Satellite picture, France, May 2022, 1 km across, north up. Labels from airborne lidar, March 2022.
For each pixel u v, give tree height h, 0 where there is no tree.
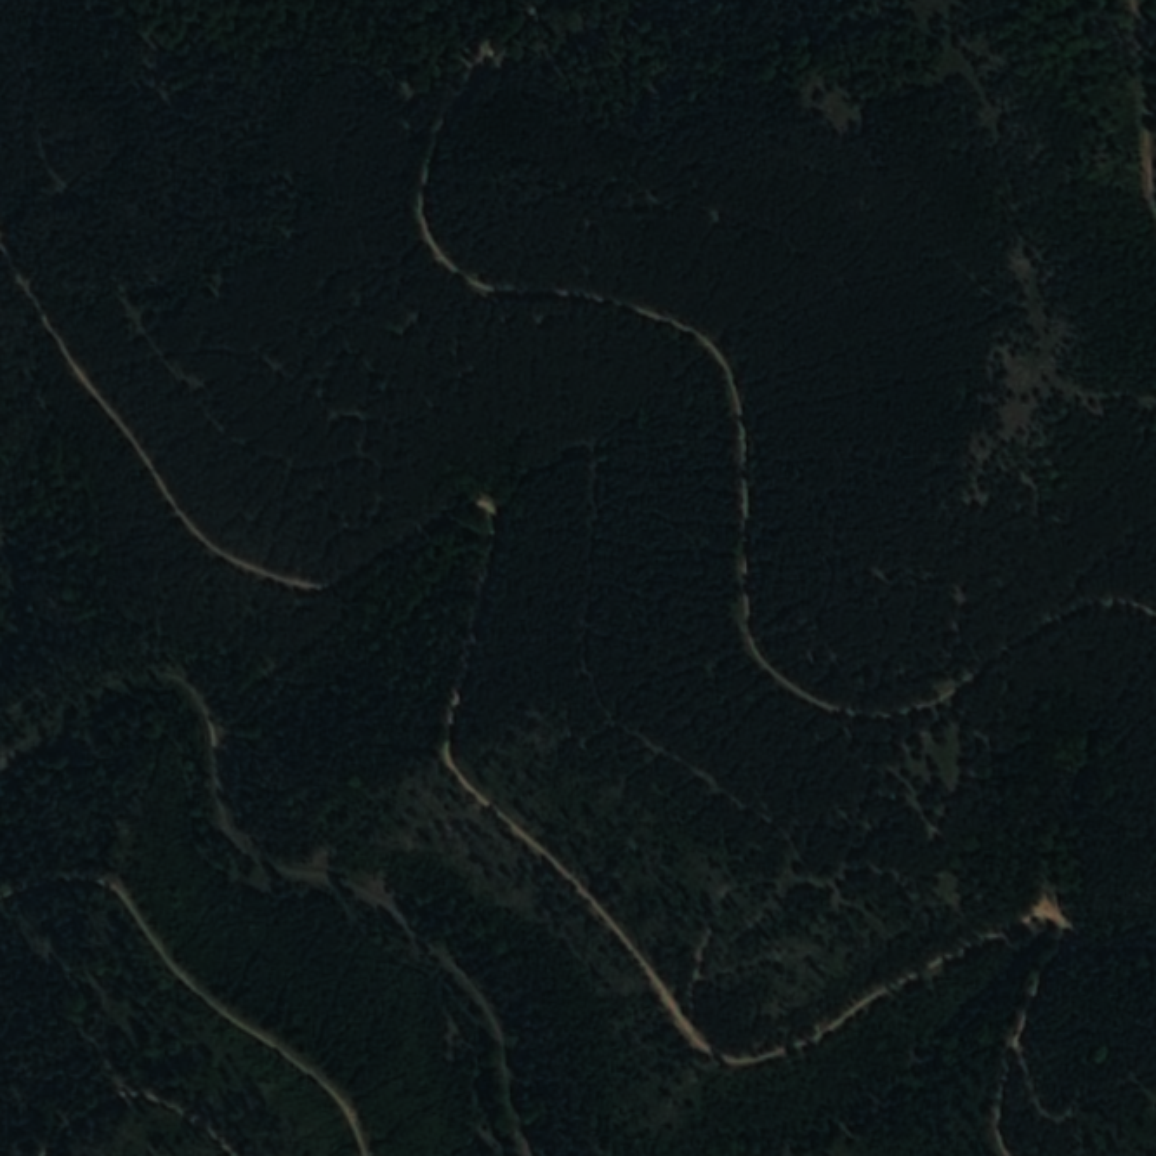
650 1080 6
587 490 14
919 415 16
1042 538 12
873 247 16
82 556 25
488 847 33
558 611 13
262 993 8
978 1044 16
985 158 13
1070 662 20
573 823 24
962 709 15
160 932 7
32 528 33
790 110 16
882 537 11
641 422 11
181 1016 25
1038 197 10
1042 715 26
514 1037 14
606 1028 7
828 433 16
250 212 26
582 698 12
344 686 31
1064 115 12
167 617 11
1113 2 32
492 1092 28
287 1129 34
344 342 8
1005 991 16
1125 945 17
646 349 15
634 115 7
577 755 7
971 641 16
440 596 25
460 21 22
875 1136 15
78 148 23
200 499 13
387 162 17
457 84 10
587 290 14
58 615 37
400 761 31
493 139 18
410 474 18
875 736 16
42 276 23
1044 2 24
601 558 10
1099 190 6
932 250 13
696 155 15
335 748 28
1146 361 12
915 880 10
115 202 23
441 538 27
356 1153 7
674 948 6
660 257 13
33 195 26
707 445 13
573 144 15
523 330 17
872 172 14
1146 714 12
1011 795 28
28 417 26
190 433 10
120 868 6
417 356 14
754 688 14
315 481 14
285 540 14
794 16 23
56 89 23
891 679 15
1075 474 15
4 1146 27
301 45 25
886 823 18
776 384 15
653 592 15
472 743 8
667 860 9
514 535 18
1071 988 17
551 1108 29
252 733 29
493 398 17
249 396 12
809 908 7
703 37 28
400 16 29
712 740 14
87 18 28
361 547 17
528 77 13
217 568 15
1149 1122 30
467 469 22
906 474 13
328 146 17
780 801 15
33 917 31
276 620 16
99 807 30
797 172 18
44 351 14
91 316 13
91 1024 31
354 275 14
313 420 15
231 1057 0
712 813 14
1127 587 15
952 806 13
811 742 15
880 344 12
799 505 17
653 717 12
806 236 14
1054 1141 10
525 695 10
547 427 17
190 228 24
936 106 18
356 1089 11
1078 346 8
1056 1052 10
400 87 11
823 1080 12
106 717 23
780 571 15
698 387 16
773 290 15
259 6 28
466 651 18
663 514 13
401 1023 11
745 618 0
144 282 21
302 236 16
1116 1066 9
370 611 24
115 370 11
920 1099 13
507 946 17
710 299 16
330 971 8
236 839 0
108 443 15
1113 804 24
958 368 10
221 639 14
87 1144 35
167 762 9
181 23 29
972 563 14
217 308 16
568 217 17
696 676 14
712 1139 21
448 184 17
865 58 15
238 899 9
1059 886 25
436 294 17
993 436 7
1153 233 9
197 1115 33
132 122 19
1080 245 13
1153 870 21
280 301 14
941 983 10
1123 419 13
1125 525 12
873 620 17
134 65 24
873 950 9
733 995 11
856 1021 8
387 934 8
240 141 26
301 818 22
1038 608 18
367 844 39
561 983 8
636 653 15
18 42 20
